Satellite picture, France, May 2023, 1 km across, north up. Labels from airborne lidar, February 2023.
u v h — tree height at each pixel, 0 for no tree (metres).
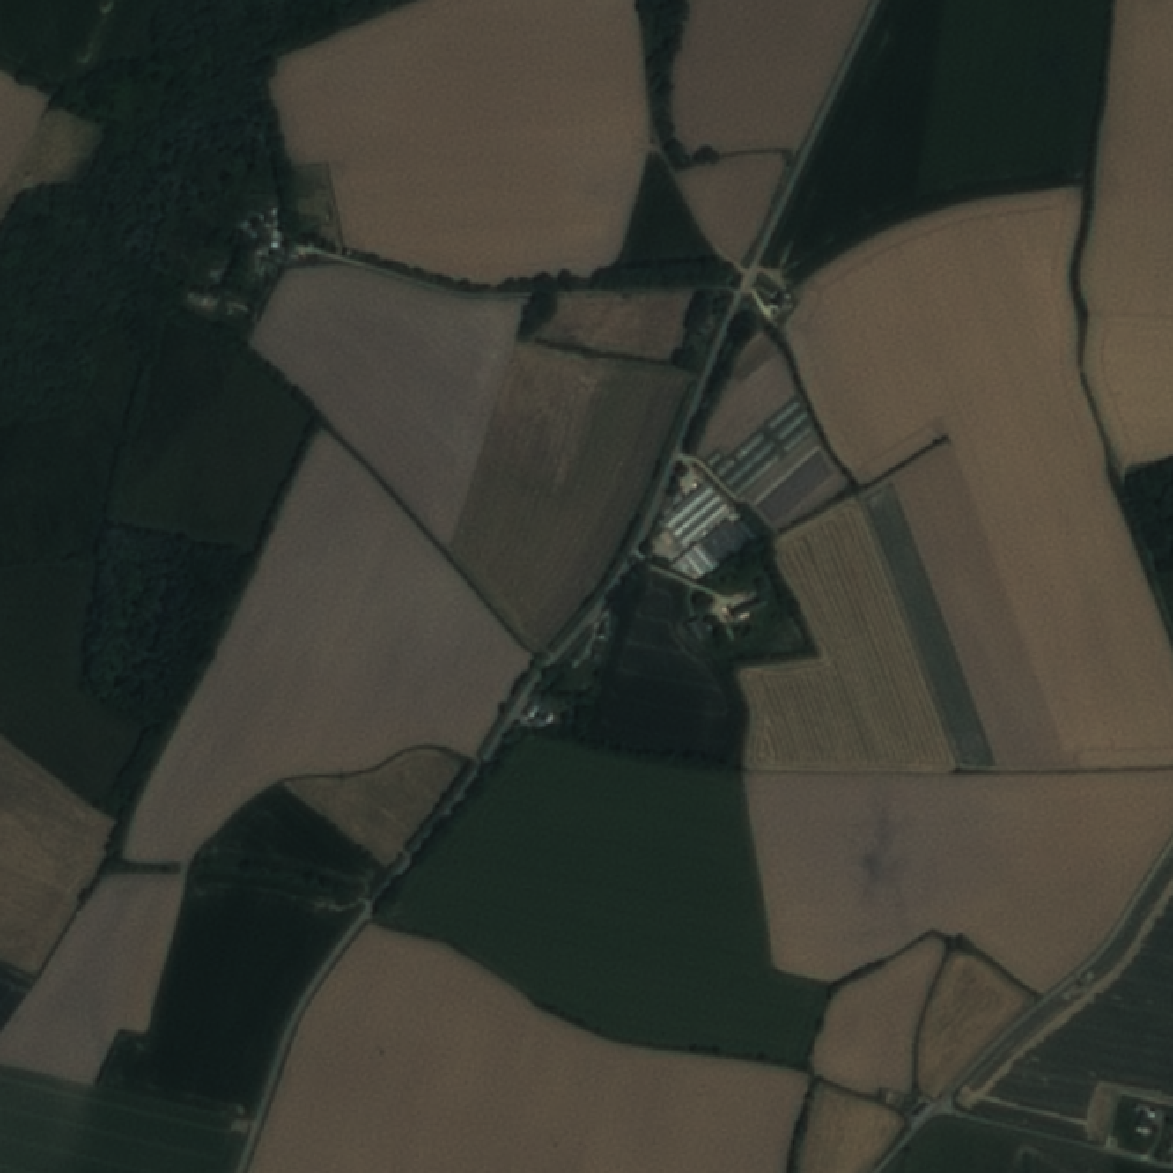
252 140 10
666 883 0
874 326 0
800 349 0
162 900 0
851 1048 0
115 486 6
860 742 0
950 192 0
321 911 0
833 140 0
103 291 5
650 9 10
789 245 0
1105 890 0
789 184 0
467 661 0
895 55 0
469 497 0
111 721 0
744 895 0
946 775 0
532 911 0
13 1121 0
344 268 0
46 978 0
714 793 0
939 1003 0
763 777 0
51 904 0
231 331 8
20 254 9
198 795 0
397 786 0
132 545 20
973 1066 0
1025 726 0
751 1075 0
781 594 8
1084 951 0
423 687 0
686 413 0
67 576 0
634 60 0
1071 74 0
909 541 0
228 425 0
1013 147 0
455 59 0
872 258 0
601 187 0
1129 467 0
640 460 0
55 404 8
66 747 0
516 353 0
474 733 0
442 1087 0
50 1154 0
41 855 0
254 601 0
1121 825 0
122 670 13
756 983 0
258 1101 0
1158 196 0
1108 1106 0
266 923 0
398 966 0
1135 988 0
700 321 11
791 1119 0
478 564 0
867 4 0
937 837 0
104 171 8
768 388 0
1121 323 0
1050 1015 0
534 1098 0
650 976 0
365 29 0
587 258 0
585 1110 0
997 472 0
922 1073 0
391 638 0
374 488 0
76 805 0
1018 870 0
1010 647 0
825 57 0
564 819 0
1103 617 0
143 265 7
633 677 0
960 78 0
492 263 0
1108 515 0
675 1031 0
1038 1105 0
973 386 0
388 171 0
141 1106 0
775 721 0
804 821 0
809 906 0
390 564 0
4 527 0
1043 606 0
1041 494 0
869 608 0
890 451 0
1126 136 0
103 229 11
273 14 10
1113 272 0
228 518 0
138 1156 0
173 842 0
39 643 0
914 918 0
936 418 0
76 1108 0
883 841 0
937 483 0
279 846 0
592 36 0
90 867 0
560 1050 0
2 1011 0
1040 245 0
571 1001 0
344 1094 0
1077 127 0
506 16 0
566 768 0
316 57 0
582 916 0
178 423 0
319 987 0
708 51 0
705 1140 0
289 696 0
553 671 9
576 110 0
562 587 0
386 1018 0
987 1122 0
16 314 11
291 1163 0
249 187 0
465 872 0
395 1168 0
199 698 0
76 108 7
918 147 0
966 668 0
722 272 9
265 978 0
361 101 0
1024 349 0
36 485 0
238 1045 0
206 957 0
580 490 0
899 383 0
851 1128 0
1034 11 0
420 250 0
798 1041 0
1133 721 0
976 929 0
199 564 17
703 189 0
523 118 0
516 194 0
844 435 0
